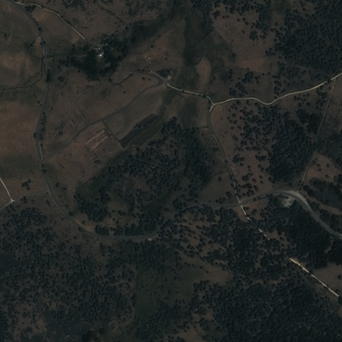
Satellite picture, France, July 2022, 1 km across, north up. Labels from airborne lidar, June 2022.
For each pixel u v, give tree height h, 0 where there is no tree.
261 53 0
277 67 0
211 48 0
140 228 14
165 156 15
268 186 0
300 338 13
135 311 0
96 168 0
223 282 0
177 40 0
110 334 0
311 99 0
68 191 0
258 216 0
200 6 17
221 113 0
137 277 0
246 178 12
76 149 0
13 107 0
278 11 0
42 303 0
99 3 0
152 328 10
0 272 0
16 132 0
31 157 0
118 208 0
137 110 0
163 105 0
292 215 16
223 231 16
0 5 0
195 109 0
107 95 0
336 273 0
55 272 0
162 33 0
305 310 15
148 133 0
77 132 0
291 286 15
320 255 19
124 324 0
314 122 12
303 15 0
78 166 0
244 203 0
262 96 0
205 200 0
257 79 13
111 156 0
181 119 0
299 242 15
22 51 0
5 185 0
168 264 0
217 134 0
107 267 8
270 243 16
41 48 0
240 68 0
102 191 15
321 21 0
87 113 0
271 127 14
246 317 14
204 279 0
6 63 0
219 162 0
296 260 0
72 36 0
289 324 16
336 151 0
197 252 8
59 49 0
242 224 16
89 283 9
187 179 0
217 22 0
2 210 0
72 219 0
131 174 11
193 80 0
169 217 0
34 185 0
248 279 14
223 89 0
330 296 0
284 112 0
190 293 0
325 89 0
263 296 12
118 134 0
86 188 0
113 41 12
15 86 0
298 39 11
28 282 6
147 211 0
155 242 6
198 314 10
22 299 8
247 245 15
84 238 0
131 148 0
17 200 0
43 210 0
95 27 0
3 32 0
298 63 10
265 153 0
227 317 12
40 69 0
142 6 0
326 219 12
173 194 0
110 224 0
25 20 0
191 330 0
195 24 0
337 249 17
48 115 0
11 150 0
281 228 15
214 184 0
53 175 0
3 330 8
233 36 0
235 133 0
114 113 0
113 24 0
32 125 0
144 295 0
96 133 0
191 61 0
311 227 15
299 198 0
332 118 0
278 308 12
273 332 13
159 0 0
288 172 13
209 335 8
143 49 0
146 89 0
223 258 17
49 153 0
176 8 0
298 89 0
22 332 0
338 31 14
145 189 0
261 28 10
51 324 0
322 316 12
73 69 0
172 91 0
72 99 0
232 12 14
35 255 8
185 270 0
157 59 0
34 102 0
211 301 15
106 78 0
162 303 6
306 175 0
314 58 13
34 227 0
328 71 12
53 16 0
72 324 0
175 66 0
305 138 10
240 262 12
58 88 0
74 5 0
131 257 13
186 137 10
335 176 0
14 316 7
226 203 0
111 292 9
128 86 0
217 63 0
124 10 0
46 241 6
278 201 11
